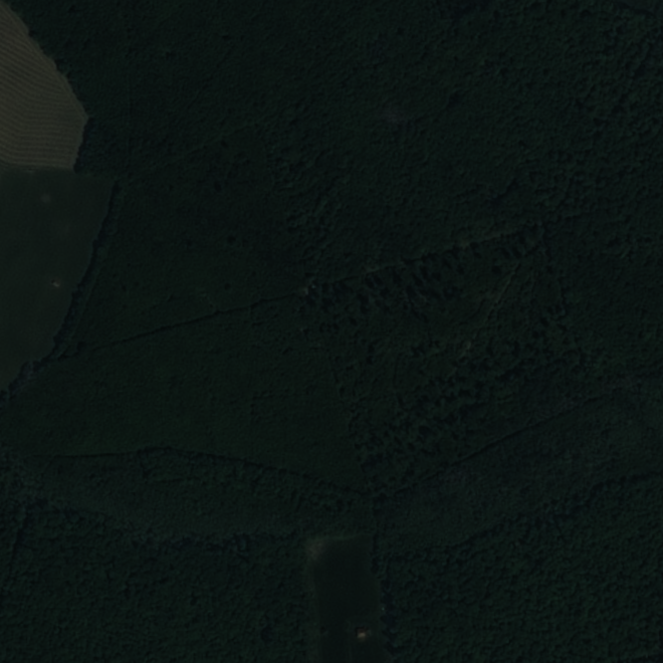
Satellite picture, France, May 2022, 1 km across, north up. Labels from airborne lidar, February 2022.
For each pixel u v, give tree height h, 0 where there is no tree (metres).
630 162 28
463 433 23
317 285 22
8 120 0
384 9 27
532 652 25
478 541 25
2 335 0
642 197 28
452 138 26
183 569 30
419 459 23
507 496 19
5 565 19
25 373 16
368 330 7
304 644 25
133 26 17
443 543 19
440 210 27
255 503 9
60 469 12
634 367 20
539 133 27
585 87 28
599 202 27
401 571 28
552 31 26
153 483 8
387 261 26
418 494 18
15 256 0
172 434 12
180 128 26
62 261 0
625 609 23
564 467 16
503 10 25
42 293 0
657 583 24
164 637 24
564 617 23
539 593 24
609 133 25
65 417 13
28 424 13
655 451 13
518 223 24
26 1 22
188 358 13
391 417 7
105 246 16
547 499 12
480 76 24
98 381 9
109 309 13
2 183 0
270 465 12
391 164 24
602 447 15
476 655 25
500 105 23
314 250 24
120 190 16
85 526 29
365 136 23
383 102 24
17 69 0
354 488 11
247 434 13
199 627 24
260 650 24
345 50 27
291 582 29
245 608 28
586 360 24
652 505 24
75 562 28
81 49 21
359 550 0
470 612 32
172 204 12
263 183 14
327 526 16
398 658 29
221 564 28
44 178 0
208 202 15
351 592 0
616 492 23
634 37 23
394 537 17
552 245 24
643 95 26
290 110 24
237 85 24
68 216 0
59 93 0
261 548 26
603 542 25
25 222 0
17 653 23
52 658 23
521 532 25
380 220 29
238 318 14
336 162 26
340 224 27
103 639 20
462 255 33
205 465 20
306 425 13
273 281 15
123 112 21
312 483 24
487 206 21
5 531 22
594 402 12
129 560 29
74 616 23
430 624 27
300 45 26
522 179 27
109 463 6
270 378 11
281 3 24
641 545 26
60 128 0
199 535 14
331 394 14
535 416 9
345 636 0
